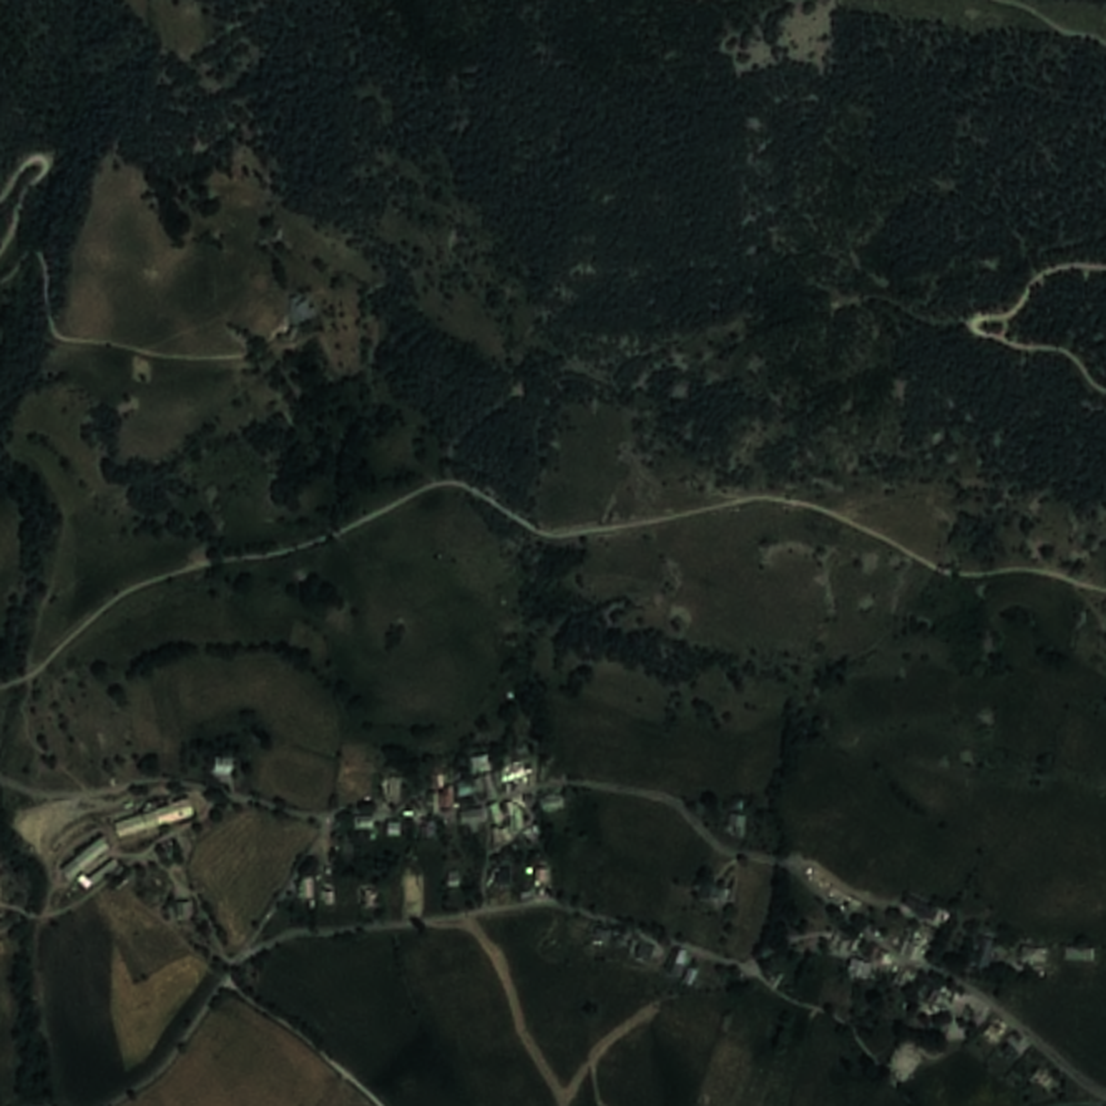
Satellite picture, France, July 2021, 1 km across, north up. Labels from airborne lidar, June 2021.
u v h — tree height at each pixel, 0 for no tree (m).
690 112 8
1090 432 6
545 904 0
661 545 0
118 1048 0
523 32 5
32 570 12
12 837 8
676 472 0
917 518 0
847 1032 13
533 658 9
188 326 0
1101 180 7
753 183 6
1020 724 0
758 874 0
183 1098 0
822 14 0
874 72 8
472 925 0
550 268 7
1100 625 0
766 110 6
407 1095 0
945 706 0
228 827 0
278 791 0
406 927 0
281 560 8
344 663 0
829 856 0
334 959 0
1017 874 0
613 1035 0
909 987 14
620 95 7
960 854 0
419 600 0
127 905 0
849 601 0
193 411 0
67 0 10
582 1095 0
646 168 9
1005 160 6
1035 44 7
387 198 7
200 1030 0
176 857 9
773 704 0
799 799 0
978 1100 0
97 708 0
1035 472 7
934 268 7
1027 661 0
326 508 7
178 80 9
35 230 10
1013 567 0
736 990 13
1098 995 0
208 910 10
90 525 0
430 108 9
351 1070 0
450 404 9
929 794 0
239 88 9
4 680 10
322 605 13
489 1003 0
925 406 9
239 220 0
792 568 0
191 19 0
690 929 0
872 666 0
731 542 0
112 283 0
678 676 11
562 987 0
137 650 0
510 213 11
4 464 19
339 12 9
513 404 7
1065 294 9
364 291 7
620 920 8
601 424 0
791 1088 0
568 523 0
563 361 12
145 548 0
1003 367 8
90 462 0
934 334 9
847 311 6
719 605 0
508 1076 0
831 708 0
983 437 8
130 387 0
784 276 7
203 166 10
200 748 15
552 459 9
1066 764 0
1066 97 6
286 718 0
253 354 9
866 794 0
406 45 7
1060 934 0
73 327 0
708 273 7
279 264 10
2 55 8
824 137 9
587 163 8
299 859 6
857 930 10
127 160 8
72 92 14
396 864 15
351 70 8
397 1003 0
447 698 0
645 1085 0
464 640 0
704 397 7
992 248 10
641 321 7
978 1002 0
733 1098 0
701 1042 0
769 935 10
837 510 0
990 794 0
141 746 0
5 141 11
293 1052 0
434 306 0
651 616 0
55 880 0
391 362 17
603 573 0
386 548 0
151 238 0
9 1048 0
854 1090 0
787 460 6
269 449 9
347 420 12
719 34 9
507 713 16
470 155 11
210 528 15
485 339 0
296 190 8
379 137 8
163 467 11
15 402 11
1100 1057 0
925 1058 0
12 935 10
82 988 0
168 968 0
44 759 9
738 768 0
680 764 0
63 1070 0
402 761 15
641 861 0
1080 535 0
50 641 0
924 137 7
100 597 0
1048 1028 0
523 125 6
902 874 0
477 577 0
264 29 10
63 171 7
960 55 14
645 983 0
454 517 0
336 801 6
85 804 0
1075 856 0
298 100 9
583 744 0
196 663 0
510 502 9
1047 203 9
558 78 7
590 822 0
